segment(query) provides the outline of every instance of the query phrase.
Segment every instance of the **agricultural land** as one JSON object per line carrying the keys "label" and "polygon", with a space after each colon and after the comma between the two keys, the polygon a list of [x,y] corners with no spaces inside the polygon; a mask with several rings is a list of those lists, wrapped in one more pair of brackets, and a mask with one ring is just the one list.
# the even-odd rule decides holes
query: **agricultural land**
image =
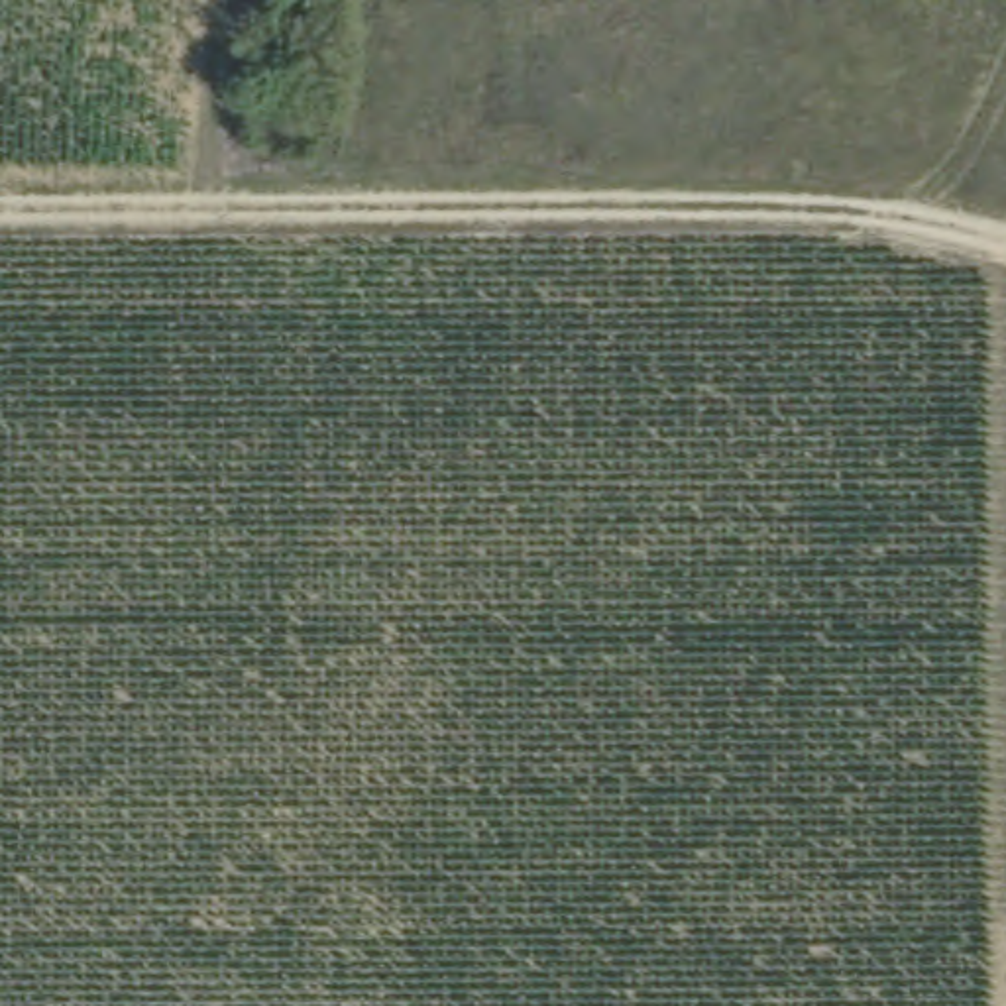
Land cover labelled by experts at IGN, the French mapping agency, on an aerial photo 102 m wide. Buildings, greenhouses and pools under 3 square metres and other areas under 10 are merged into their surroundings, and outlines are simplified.
{"label": "agricultural land", "polygon": [[365,0],[369,71],[362,83],[358,126],[342,134],[338,157],[330,161],[314,149],[307,157],[275,157],[271,149],[240,145],[232,185],[236,193],[837,193],[872,200],[920,200],[935,208],[1006,220],[1006,0]]}

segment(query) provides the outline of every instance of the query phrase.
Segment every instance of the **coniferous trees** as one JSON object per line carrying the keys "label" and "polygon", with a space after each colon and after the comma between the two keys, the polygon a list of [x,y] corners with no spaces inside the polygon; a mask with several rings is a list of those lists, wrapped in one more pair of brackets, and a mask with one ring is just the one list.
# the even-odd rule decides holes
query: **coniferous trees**
{"label": "coniferous trees", "polygon": [[208,114],[240,145],[271,149],[275,157],[307,157],[314,149],[330,161],[338,157],[342,134],[358,126],[362,83],[369,71],[365,0],[208,0],[204,35],[185,51],[185,71],[193,71],[208,86]]}

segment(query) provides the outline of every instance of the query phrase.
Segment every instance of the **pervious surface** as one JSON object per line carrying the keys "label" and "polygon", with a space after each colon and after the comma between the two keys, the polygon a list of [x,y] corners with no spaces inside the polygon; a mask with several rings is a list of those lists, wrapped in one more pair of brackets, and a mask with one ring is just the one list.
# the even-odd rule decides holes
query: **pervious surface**
{"label": "pervious surface", "polygon": [[892,244],[896,252],[931,255],[939,263],[1006,263],[1006,220],[935,208],[920,200],[872,200],[837,193],[236,193],[0,193],[0,228],[126,224],[161,232],[200,224],[680,220],[762,224],[766,236],[798,232],[833,236],[841,244]]}

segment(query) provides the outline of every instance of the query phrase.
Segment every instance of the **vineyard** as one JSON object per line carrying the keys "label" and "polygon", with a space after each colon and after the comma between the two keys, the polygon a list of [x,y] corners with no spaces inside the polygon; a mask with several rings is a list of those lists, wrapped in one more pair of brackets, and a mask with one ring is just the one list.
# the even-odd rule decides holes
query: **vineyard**
{"label": "vineyard", "polygon": [[126,224],[0,228],[0,1006],[1006,1006],[1006,263],[939,263],[931,255],[896,252],[892,244],[841,244],[833,236],[798,232],[766,236],[762,224],[680,220],[200,224],[161,232]]}
{"label": "vineyard", "polygon": [[193,71],[185,71],[185,51],[204,35],[208,0],[0,0],[0,193],[236,193],[232,185],[240,145],[208,114],[208,86]]}

